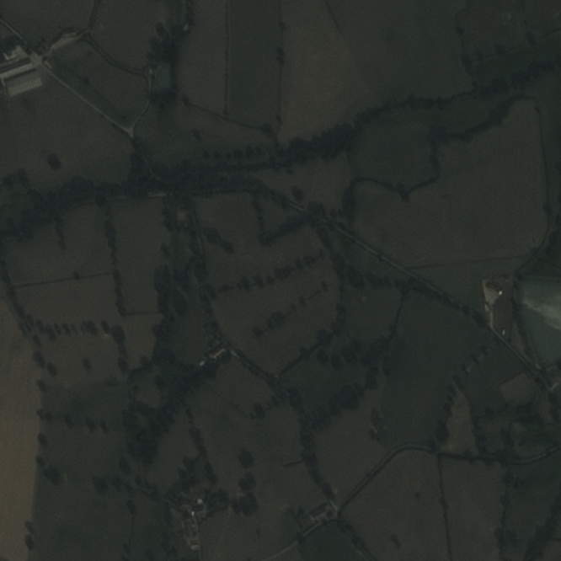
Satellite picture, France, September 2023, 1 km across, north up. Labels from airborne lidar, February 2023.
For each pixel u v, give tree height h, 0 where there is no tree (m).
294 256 0
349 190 7
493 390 0
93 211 0
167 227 15
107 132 0
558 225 9
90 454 0
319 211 15
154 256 0
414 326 0
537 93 0
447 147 0
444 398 0
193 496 0
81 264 0
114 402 0
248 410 0
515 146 0
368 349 0
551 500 0
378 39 0
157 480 0
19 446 0
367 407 0
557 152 0
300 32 0
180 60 0
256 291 0
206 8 0
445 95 0
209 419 0
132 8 0
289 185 0
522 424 10
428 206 0
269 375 8
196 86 0
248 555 0
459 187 0
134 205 0
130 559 0
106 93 0
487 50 0
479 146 0
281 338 0
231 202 0
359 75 0
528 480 0
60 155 0
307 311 0
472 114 0
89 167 0
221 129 0
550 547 0
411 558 0
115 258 12
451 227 0
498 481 0
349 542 0
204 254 10
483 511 0
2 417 0
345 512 0
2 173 0
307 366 0
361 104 0
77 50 0
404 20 0
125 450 0
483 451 21
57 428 0
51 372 15
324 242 19
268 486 0
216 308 0
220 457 0
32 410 0
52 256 0
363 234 0
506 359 0
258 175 0
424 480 0
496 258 0
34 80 0
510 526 0
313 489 0
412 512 0
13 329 0
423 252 0
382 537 0
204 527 0
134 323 0
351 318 0
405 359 0
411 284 8
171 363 16
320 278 0
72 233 0
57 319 0
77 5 0
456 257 0
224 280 0
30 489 0
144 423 0
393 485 0
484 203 0
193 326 0
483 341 0
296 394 16
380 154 0
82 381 0
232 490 0
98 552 0
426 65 0
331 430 0
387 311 0
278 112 0
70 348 0
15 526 0
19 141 0
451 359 0
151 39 0
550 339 0
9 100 0
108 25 0
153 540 0
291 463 0
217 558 0
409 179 0
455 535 0
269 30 0
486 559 0
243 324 0
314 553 0
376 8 0
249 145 0
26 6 0
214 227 0
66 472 0
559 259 0
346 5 0
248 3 0
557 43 0
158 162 0
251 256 0
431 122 0
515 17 0
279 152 9
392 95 0
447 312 0
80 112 0
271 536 0
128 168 0
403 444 0
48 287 0
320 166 0
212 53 0
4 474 0
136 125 0
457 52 0
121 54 0
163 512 0
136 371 7
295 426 0
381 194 0
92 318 0
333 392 0
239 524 0
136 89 0
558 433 0
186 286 19
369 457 0
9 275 15
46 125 0
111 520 0
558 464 0
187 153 0
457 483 0
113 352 0
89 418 0
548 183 0
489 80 0
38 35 0
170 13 0
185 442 0
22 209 0
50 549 0
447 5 0
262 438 0
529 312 0
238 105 0
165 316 7
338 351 0
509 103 7
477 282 0
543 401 0
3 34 0
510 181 0
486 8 0
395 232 0
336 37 0
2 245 20
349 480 0
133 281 0
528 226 0
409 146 0
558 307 0
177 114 0
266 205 0
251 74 0
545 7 0
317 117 0
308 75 0
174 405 19
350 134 20
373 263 0
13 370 0
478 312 0
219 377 0
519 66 0
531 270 0
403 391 0
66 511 0
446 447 0
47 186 0
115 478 0
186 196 19
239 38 0
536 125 0
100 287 0
